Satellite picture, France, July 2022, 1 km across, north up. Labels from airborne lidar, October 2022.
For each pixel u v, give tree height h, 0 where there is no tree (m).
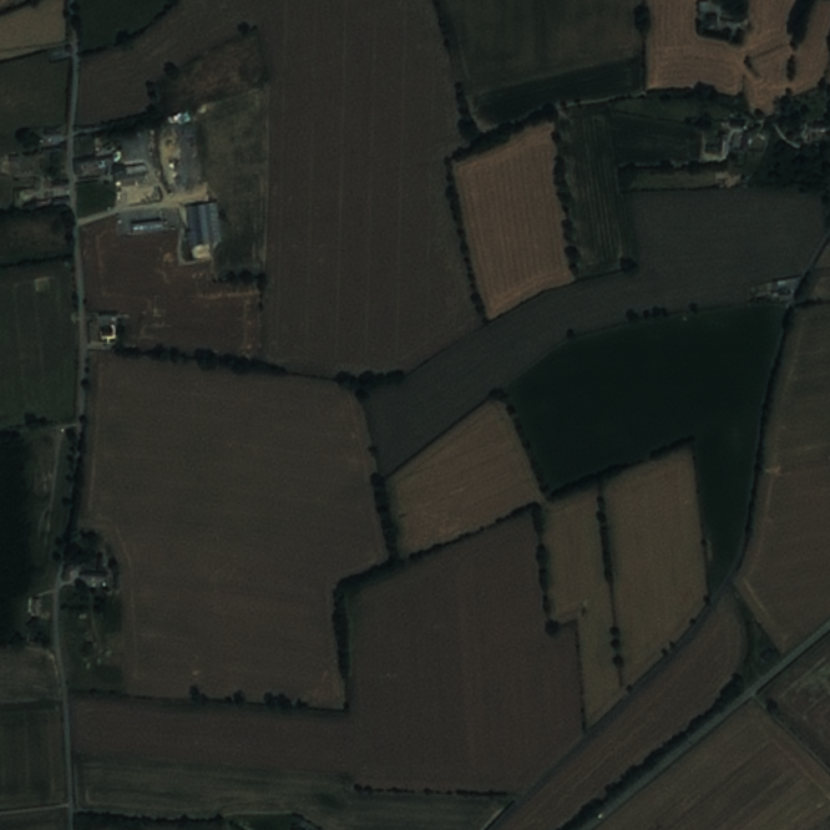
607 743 0
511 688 0
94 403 0
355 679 0
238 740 0
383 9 0
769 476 0
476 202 0
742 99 8
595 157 0
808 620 0
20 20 0
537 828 0
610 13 0
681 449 9
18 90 0
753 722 0
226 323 0
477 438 0
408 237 0
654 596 0
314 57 0
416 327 0
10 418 0
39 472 0
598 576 0
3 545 19
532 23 0
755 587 0
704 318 0
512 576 0
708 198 0
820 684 0
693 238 0
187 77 0
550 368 0
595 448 0
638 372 0
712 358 0
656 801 0
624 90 0
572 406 0
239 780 0
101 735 0
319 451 0
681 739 11
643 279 0
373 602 0
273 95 0
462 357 0
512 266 0
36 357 0
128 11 0
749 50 0
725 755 0
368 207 0
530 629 0
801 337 0
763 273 0
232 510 0
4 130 0
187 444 0
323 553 0
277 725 0
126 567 0
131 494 0
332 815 0
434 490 0
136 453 0
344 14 0
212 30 0
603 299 0
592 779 0
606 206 0
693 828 0
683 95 10
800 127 7
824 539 0
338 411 0
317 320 0
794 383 0
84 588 14
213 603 0
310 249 0
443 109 0
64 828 0
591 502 0
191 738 0
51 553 0
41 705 0
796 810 0
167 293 0
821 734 0
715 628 0
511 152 0
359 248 0
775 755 0
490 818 0
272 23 0
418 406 0
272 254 0
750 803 0
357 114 0
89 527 0
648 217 0
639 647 0
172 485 0
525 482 0
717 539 0
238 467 0
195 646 0
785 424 0
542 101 0
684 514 0
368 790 8
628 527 0
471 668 0
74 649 0
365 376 10
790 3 0
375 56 0
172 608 0
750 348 0
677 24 0
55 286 0
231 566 0
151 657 0
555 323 0
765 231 0
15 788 0
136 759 0
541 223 0
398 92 0
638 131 0
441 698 0
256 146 0
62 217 11
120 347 8
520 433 11
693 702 0
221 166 0
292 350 0
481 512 0
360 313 0
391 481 0
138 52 0
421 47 0
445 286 0
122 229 0
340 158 0
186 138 0
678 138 0
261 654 0
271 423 0
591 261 0
